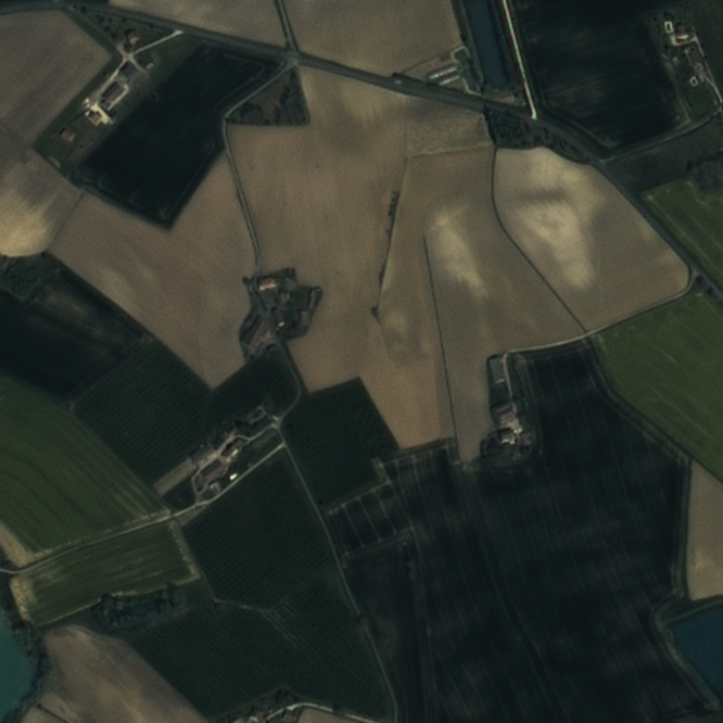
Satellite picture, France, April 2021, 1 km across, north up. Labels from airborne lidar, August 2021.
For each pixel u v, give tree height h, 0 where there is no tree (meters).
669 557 0
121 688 0
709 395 0
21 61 0
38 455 0
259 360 0
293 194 0
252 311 6
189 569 0
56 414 0
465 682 0
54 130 0
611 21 0
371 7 0
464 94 7
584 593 0
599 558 0
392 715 0
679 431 0
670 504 0
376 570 0
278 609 0
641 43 0
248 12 0
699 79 8
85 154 0
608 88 0
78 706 0
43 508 0
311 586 0
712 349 0
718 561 0
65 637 0
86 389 0
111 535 0
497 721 0
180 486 0
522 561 0
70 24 0
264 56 0
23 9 0
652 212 0
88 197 0
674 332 0
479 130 0
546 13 0
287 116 21
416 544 0
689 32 7
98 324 0
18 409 0
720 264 0
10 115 0
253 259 0
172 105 0
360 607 0
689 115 0
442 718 0
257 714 0
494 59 0
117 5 0
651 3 0
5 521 0
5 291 0
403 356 0
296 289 0
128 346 0
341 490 0
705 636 0
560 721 0
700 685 0
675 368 0
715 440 0
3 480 0
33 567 0
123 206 0
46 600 0
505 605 0
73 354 0
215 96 0
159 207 0
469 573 0
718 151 0
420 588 0
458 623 0
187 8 0
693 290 0
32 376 0
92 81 0
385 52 0
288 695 6
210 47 0
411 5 0
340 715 14
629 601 0
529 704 0
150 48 0
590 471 0
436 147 0
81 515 0
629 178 0
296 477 0
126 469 0
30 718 0
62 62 0
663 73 0
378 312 9
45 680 18
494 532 0
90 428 0
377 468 0
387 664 0
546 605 0
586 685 0
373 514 0
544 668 0
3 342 0
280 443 0
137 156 0
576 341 0
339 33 0
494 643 0
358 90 0
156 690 0
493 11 19
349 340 0
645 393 0
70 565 0
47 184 0
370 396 0
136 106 0
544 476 0
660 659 0
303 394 0
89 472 0
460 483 0
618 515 0
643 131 0
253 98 0
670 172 0
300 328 14
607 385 0
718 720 11
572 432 0
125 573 0
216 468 0
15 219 0
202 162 0
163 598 11
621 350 0
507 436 0
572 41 0
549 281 0
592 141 0
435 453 0
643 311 0
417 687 0
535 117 0
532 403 0
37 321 0
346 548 0
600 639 0
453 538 0
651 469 0
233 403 0
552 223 0
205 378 0
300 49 0
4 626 0
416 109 0
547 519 0
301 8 0
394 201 6
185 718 0
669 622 0
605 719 0
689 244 0
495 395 7
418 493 0
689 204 0
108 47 0
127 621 21
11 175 0
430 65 0
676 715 0
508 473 0
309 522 0
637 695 0
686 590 0
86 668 0
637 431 0
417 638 0
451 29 0
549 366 0
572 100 0
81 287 0
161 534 0
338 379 0
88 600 0
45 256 7
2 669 0
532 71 0
